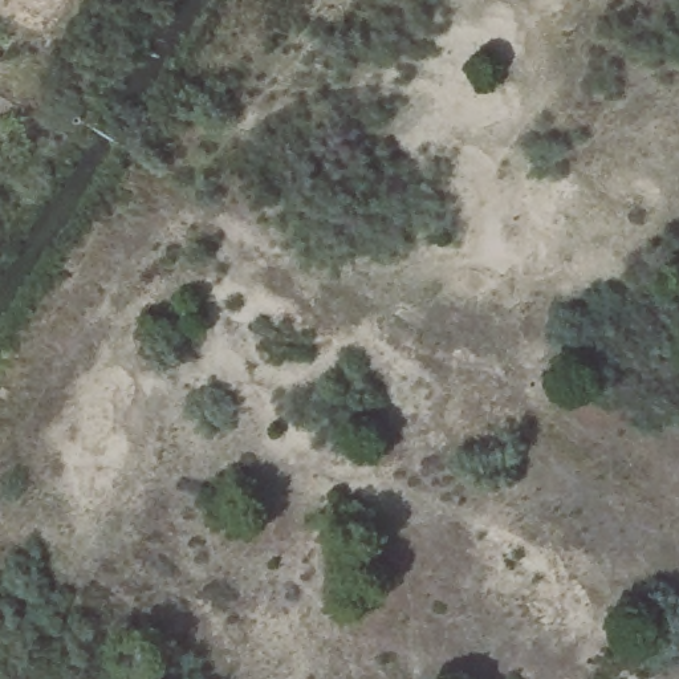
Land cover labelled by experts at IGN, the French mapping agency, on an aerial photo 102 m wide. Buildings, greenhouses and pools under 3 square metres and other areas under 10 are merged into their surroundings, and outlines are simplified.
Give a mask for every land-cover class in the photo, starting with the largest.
<instances>
[{"label":"herbaceous vegetation","instance_id":"1","mask_svg":"<svg viewBox=\"0 0 679 679\"><path fill-rule=\"evenodd\" d=\"M82 0H64V13L48 16L42 21V29L37 32L19 27L13 19L0 16V111L21 106L27 95H32L40 88V74L48 69L53 40L64 37L66 21L80 11ZM353 0H313L310 16H321L329 21L342 19ZM454 5V27L438 37L440 56H398L390 64V69L369 64H361L355 69V88L379 85L385 95H408L406 109H401L393 119V135L398 138L401 149L411 151L422 143H438L443 149L454 146L462 151L451 178V191L462 202V244L414 247L406 260H395L387 265H379L371 257H355L347 265H342L340 278H332L324 268L302 271L300 257L281 247V231L257 225L255 212L244 199L241 180L236 175H223L225 196L212 202L183 212L156 210L146 217L130 215L122 223H114L117 231L109 233L103 231V223H93L82 244L69 252V278L37 302V318L19 332V350L0 353V544H24L32 533H40V589L74 594V605H82L80 618L90 626L95 639L106 642V629L154 623L170 655H175L178 660L183 655L199 658L204 679H589L597 671L591 658H597L605 650L607 639L605 618L613 605H618L623 591L634 586V581L655 573L660 584H666L679 597V427H666L650 435L626 424L615 411H602L597 406H554L544 393V371L549 369L552 355L546 353V337L541 332L549 321L552 305L576 313L584 310L586 302L578 294L594 281L618 278L626 268L629 255L637 247L647 244L652 236H658L663 228H668L679 239V82L663 85L655 80V72L650 66L634 64L626 72L623 98L610 101L605 93L584 90V80L589 72V48L594 45L589 32L597 29L599 16L605 13L610 0H448ZM472 53H480L491 64L493 80L499 82L493 93H475L472 82L467 80L464 64ZM581 125L591 127V138L573 146L576 164L570 167V175H565L562 180L530 178V159L520 149V138L528 130L544 133L570 130ZM172 292L194 297L199 321L210 332L202 345L199 361H186L178 369H164L156 374L143 358H138L135 326L143 308L167 300ZM257 316H289L294 321V329L316 332L318 355L305 363L271 366L265 355L257 350V337L249 329V324ZM342 347H363L374 366V371L363 377L374 393L371 411L379 414L374 432L385 443L387 454L382 464H353L347 456L334 454V448H316L310 432L297 427H289L281 438H271L268 432V427L276 419L273 393L278 387H292L326 374L337 363ZM210 379L228 382L233 390L241 393L244 401L239 424L228 432L207 438L199 432V424L186 416L183 406L186 395L194 387L207 385ZM507 430L517 440L515 477L520 483L491 491L488 483L477 485L472 475H464L459 469L448 475L446 459L467 438H501ZM225 467L236 469V485L241 488V493L257 499L265 507V515L271 517V523L255 541H231L220 533H212L204 523V509L194 496L196 491H202L204 480L215 477ZM334 485L374 491L358 507V525L366 528L363 544L374 552L369 560V576H374L379 591L387 594L379 610L345 626H337L324 613V549L318 544V530L305 528V515L318 507H326L329 491ZM316 40L308 32H289V37L278 42L273 53L276 61L265 80H244L247 88L260 90L255 98L241 101L244 117L236 125L247 138L257 122L292 106L297 101V93L292 88V77L302 72L305 56L313 50Z\"/></svg>","mask_w":679,"mask_h":679},{"label":"deciduous trees","instance_id":"2","mask_svg":"<svg viewBox=\"0 0 679 679\"><path fill-rule=\"evenodd\" d=\"M454 27V5L448 0H353L342 19V34L326 40L332 42V48H342L345 61L355 69L361 64H369L390 69V64L398 56H440L438 37ZM467 80L472 82L475 93H493L499 82L493 80L491 64L480 53H472L464 64ZM321 101H326L334 109L329 122L313 117L308 95L297 93V101L292 106L257 122L247 138L231 141V154L204 167V183L210 188L212 202L225 196L223 175H236L241 180L244 199L255 212L257 225L281 231V247L300 257L302 271L324 268L332 278H340L342 265H347L355 257H371L379 265H387L395 260H406L414 247L462 244V202L451 191V178L462 151L454 146L443 149L438 143H422L411 151L401 149L398 138L393 135V119L401 109H406L408 95H385L379 85L355 88H318ZM586 302L584 310L576 313L552 305L549 321L541 332L546 337V353L552 355L549 369L544 371V393L554 406H597L602 411H615L626 424L650 435L666 427H679V239L668 228H663L658 236H652L647 244L637 247L629 255L626 268L618 278L594 281L578 294ZM210 332L199 321L194 297L172 292L167 300L143 308L135 326L138 358H143L156 374L164 369H178L186 361H199L202 345ZM374 371V366L363 347H342L337 363L326 374L292 387V414L297 427L310 432L316 448H334V454L347 456L353 464H382L387 454L385 443L374 432L379 414L371 411L374 393L363 377ZM517 440L507 430L501 438H467L446 459L448 475L459 469L464 475H472L477 485L488 483L491 491L520 483L515 477ZM194 496L204 509V523L212 533H220L231 541H255L271 523V517L265 515V507L257 499L241 493V488L236 485V469L225 467L215 477L204 480L202 491H196ZM374 491L334 485L329 491L326 507H318L305 515V528L318 530V544L324 549V613L337 626H345L379 610L387 594L379 591L374 576H369V560L374 552L363 544L366 528L358 525V507ZM40 533H32L24 544H0V679H204L199 658L183 655L178 660L175 655H170L154 623L106 629V642L95 639L90 626L80 618L82 605H74V594L40 589ZM607 639L615 647L631 650L637 658H642L639 668L650 671V676L645 679H679V597L666 584H660L655 573L634 581V586L623 591L618 605H613L605 618Z\"/></svg>","mask_w":679,"mask_h":679},{"label":"brushwood","instance_id":"3","mask_svg":"<svg viewBox=\"0 0 679 679\"><path fill-rule=\"evenodd\" d=\"M178 0H82L80 11L66 21L64 37L53 40L48 69L40 74V88L32 95H27L21 106L0 111V273L11 263H16L21 241L29 236L34 220L42 212V204L61 191L82 151L98 138L109 143V154L103 156L90 186L80 196L74 215L58 231L56 241L42 252L32 273L19 286L13 302L0 316V353L19 350V332L37 318V302L69 278V252L82 244L93 223H103V231L109 233L117 231L114 223H122L130 215L146 217L156 210L183 212L212 202L210 188L204 183V167L231 154V141L247 138L236 125L244 117L241 101L255 98L260 90L247 88L244 80H265L276 61L273 53L278 42L289 37V32H308L316 40L313 50L305 56L302 72L292 77V88L297 93L308 95L313 117L329 122L334 109L326 101H321L318 88H355V69L345 61L342 48H332V42L326 40L342 34V19L329 21L321 16H310L313 0H204L188 34L180 37L175 53L164 61L159 77L146 90L143 103L130 109L117 101V90L125 88V77L133 69H141L146 58H151V32L172 21ZM594 45L589 48V72L584 80V90L605 93L610 101L623 98L626 72L634 64L650 66L655 72V80L663 85L679 82V0H610L605 13L599 16L597 29L589 32ZM591 138V127L581 125L570 130L544 133L528 130L520 138V149L530 159V178L562 180L565 175H570V167L576 164L573 146ZM249 329L257 337V350L265 355L271 366L305 363L318 355L316 332L294 329V321L289 316H257L249 324ZM244 401L241 393L233 390L228 382L210 379L207 385L194 387L186 395L183 406L186 416L199 424V432L207 438L228 432L239 424ZM276 419L268 427V432L271 438H281L289 427H297L292 414V387H278L273 393ZM597 671L589 679H645L650 676V671L639 668L642 658H637L631 650L615 647L607 639L605 650L597 658H591Z\"/></svg>","mask_w":679,"mask_h":679},{"label":"water","instance_id":"4","mask_svg":"<svg viewBox=\"0 0 679 679\"><path fill-rule=\"evenodd\" d=\"M204 0H178L172 21L151 32V58H146L141 69H133L125 77V88L117 90V101L130 109L143 103L146 90L159 77L164 61L175 53L180 37L188 34ZM109 154V143L98 138L82 151L61 191L42 204V212L34 220L29 236L21 241L16 263H11L0 273V316L13 302L19 286L32 273L42 252L56 241L58 231L74 215L80 196L90 186L103 156Z\"/></svg>","mask_w":679,"mask_h":679},{"label":"vineyard","instance_id":"5","mask_svg":"<svg viewBox=\"0 0 679 679\"><path fill-rule=\"evenodd\" d=\"M64 13V0H0V16L13 19L19 27L37 32L42 29V21L48 16Z\"/></svg>","mask_w":679,"mask_h":679}]
</instances>
